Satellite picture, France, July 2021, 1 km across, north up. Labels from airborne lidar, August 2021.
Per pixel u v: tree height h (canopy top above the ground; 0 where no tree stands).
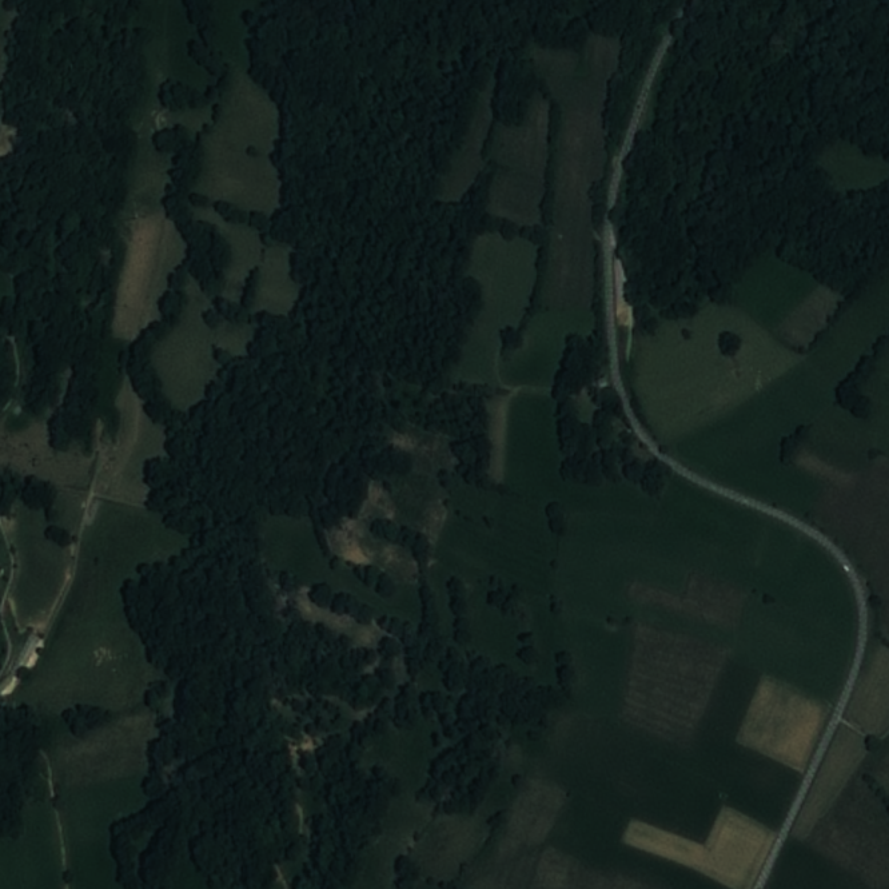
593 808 0
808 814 0
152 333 20
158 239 0
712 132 18
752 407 0
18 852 0
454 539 0
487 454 8
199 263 24
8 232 27
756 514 0
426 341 17
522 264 0
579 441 22
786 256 23
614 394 17
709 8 16
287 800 23
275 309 0
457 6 25
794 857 0
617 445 16
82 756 0
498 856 0
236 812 31
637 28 25
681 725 0
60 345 30
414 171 24
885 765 0
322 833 27
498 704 25
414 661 19
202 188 0
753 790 0
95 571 0
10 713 31
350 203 16
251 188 0
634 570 0
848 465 0
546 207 12
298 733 19
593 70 0
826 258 23
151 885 27
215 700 8
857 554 0
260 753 20
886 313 0
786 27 22
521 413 0
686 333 10
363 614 18
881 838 0
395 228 11
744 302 0
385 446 19
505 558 0
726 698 0
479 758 13
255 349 18
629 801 0
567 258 0
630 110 20
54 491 26
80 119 25
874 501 0
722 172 18
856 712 0
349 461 26
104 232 22
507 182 0
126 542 0
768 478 0
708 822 0
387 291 16
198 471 21
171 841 25
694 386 0
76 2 34
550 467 0
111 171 24
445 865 0
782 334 0
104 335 13
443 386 11
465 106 22
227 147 0
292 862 19
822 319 0
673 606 0
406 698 17
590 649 0
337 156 25
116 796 0
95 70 11
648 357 0
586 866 0
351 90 28
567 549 0
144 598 26
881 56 12
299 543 0
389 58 30
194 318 0
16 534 0
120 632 0
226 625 22
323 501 21
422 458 0
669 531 0
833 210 21
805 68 18
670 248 32
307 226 20
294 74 23
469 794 10
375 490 0
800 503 0
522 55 20
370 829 19
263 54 25
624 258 17
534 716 24
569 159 0
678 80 15
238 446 28
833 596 0
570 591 0
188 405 0
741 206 25
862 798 0
